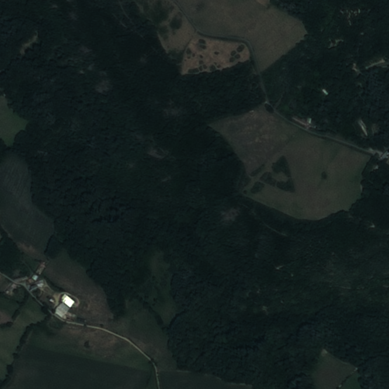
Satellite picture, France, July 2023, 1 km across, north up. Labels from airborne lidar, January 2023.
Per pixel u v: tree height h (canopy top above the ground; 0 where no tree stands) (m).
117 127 22
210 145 10
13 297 0
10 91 19
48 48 22
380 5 22
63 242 10
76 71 11
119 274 18
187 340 25
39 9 22
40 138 8
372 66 0
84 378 0
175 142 10
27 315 0
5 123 0
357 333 19
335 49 18
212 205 11
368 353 14
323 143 0
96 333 0
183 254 16
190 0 0
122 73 8
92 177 13
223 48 0
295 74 12
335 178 0
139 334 0
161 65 7
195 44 0
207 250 14
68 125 18
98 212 28
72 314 0
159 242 8
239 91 8
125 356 0
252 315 9
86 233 27
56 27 21
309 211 0
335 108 6
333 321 18
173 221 11
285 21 0
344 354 17
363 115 11
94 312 0
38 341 0
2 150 26
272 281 8
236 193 14
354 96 19
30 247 0
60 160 21
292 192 0
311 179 0
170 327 9
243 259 13
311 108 9
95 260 23
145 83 9
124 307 12
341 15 20
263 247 13
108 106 18
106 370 0
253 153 0
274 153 0
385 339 18
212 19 0
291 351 18
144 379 0
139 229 15
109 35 6
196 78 12
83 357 0
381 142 17
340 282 7
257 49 0
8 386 0
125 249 15
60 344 0
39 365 0
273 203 0
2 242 13
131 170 7
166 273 0
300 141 0
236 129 0
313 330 24
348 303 15
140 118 16
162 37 0
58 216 14
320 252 18
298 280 13
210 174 17
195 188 19
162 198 9
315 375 0
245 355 23
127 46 6
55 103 24
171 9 0
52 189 26
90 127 18
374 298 13
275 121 0
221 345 19
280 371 7
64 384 0
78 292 0
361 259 8
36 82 18
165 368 0
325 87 13
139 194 20
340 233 17
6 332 0
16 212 0
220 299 22
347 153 0
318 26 16
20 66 25
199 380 0
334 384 0
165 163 6
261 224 14
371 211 14
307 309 15
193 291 11
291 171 0
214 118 13
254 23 0
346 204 0
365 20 22
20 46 25
